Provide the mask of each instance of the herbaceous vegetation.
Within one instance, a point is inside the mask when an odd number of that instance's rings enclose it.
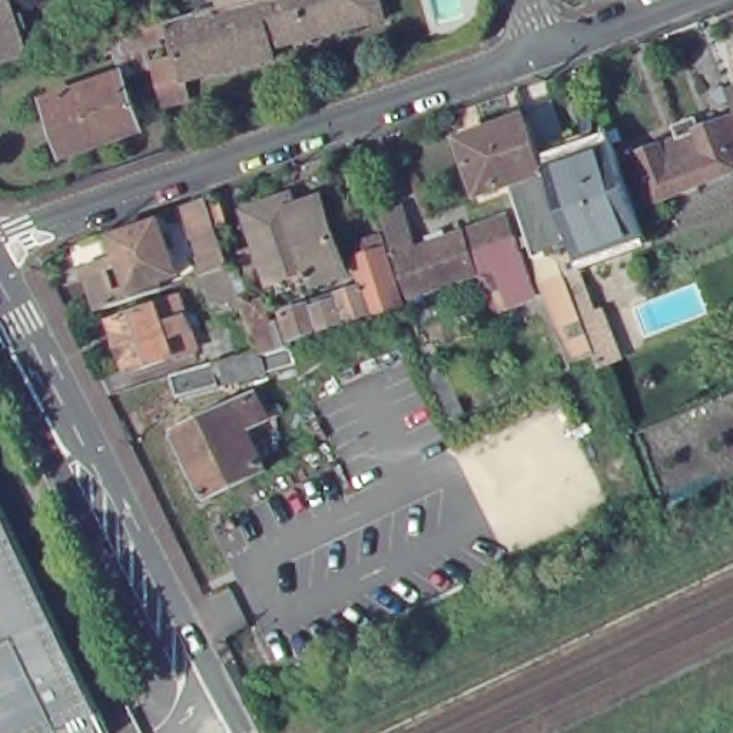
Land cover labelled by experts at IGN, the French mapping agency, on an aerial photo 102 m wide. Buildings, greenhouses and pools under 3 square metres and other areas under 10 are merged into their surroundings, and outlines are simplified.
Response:
[[[501,200],[478,203],[467,195],[458,206],[467,209],[467,220],[487,218],[492,209],[501,209]]]
[[[604,52],[593,60],[593,66],[601,77],[601,103],[610,112],[610,129],[618,132],[618,140],[613,143],[616,160],[636,155],[636,146],[644,146],[650,137],[650,94],[647,86],[630,72],[633,63],[613,60]]]
[[[372,152],[384,157],[389,169],[389,203],[404,209],[415,200],[415,178],[447,178],[452,195],[464,189],[458,169],[450,157],[450,146],[444,140],[421,146],[404,137],[364,137],[355,143],[358,152]]]
[[[733,298],[733,255],[702,266],[696,283],[707,306],[722,306]]]
[[[160,281],[160,295],[180,295],[183,315],[195,332],[195,341],[203,344],[209,341],[209,329],[223,329],[232,346],[243,349],[255,346],[255,338],[243,329],[235,312],[215,312],[209,318],[200,295],[175,281]]]
[[[109,166],[103,163],[100,149],[74,155],[72,160],[49,157],[49,169],[43,172],[43,178],[66,175],[66,186],[86,183],[94,175],[103,175]]]
[[[358,83],[358,72],[355,52],[364,43],[364,37],[346,34],[326,37],[315,46],[275,46],[269,52],[275,60],[292,54],[295,49],[298,63],[312,63],[315,57],[321,57],[341,72],[344,89],[352,89]]]
[[[292,198],[321,198],[329,235],[335,241],[341,261],[355,258],[361,241],[372,229],[367,218],[352,220],[344,215],[344,198],[338,195],[338,189],[321,186],[321,169],[326,163],[318,160],[315,166],[289,169],[289,180],[281,183],[278,192]]]
[[[252,117],[252,89],[261,80],[261,72],[246,72],[218,86],[189,80],[186,92],[192,97],[200,94],[209,103],[220,103],[232,115],[235,135],[258,126]]]
[[[20,100],[34,106],[43,89],[57,92],[63,89],[63,83],[60,77],[46,77],[46,83],[40,86],[31,74],[23,74],[17,80],[0,83],[0,178],[9,183],[29,183],[40,178],[29,175],[20,166],[20,155],[49,155],[43,143],[46,132],[34,123],[23,135],[14,132],[6,120],[6,109],[17,106]]]
[[[495,687],[507,679],[504,673],[515,664],[530,670],[550,653],[570,650],[578,641],[587,641],[616,624],[624,624],[644,610],[661,607],[670,598],[684,596],[693,587],[707,584],[722,573],[733,570],[733,495],[727,495],[724,490],[719,492],[719,501],[710,507],[713,521],[699,518],[693,538],[670,538],[659,521],[659,510],[661,504],[676,507],[681,501],[690,501],[690,495],[702,495],[702,487],[707,481],[733,481],[733,392],[699,404],[696,389],[681,384],[670,372],[690,352],[690,346],[681,341],[647,341],[641,349],[633,349],[633,364],[618,361],[610,367],[616,369],[624,407],[630,415],[627,429],[630,450],[653,495],[650,501],[627,504],[627,515],[627,527],[647,535],[647,550],[636,555],[636,547],[630,541],[621,541],[604,567],[587,570],[573,584],[550,587],[547,598],[535,601],[533,610],[495,610],[478,596],[478,590],[470,581],[461,581],[458,593],[447,596],[438,607],[427,596],[412,604],[409,616],[387,616],[384,624],[398,630],[398,647],[392,653],[392,661],[398,664],[398,690],[392,693],[384,710],[361,716],[352,713],[346,719],[344,733],[401,733],[409,724],[450,704],[458,704],[481,690]]]
[[[424,352],[438,349],[444,358],[455,361],[464,355],[467,346],[458,346],[455,335],[438,321],[432,306],[421,315],[427,335],[421,338],[421,346]]]
[[[404,57],[418,43],[432,43],[432,34],[424,23],[427,0],[378,0],[392,23],[384,31],[389,46]]]
[[[315,464],[318,421],[312,407],[321,404],[318,398],[324,392],[324,384],[341,375],[329,361],[315,361],[312,367],[295,364],[295,378],[289,381],[269,381],[263,372],[252,375],[261,407],[272,412],[286,401],[289,452],[266,470],[258,472],[241,490],[232,487],[229,492],[220,492],[209,504],[198,507],[198,487],[178,478],[175,467],[166,458],[163,429],[169,427],[178,432],[195,418],[212,412],[218,395],[180,401],[166,395],[166,384],[143,384],[137,389],[126,389],[120,398],[135,429],[146,444],[146,452],[169,492],[169,501],[195,547],[195,555],[206,578],[212,578],[218,573],[232,573],[215,533],[218,521],[241,510],[252,510],[249,501],[255,490],[266,490],[266,498],[275,498],[286,490],[289,475],[304,470],[306,464]]]
[[[727,183],[707,183],[704,192],[696,189],[690,198],[679,195],[633,208],[639,238],[641,238],[664,238],[676,246],[684,243],[696,255],[733,238],[733,178],[727,178]]]
[[[561,355],[555,344],[555,329],[547,315],[530,315],[524,329],[510,326],[507,344],[510,355],[520,367],[495,384],[487,384],[481,398],[461,395],[461,418],[470,421],[472,414],[481,409],[570,372],[570,364],[576,361]]]
[[[676,80],[684,106],[681,117],[696,117],[696,112],[702,109],[713,109],[707,94],[710,89],[707,77],[696,63],[690,69],[681,69]]]
[[[598,478],[601,498],[618,498],[633,492],[621,472],[624,458],[613,458],[610,452],[610,438],[593,438],[587,424],[584,424],[573,427],[570,432],[581,444],[584,458]]]
[[[149,306],[152,298],[140,295],[117,306],[94,309],[103,321]]]
[[[733,653],[704,664],[702,670],[673,679],[644,696],[627,699],[604,713],[567,724],[558,733],[733,733]]]
[[[140,123],[160,120],[160,100],[152,89],[152,77],[145,77],[126,83],[129,103]]]
[[[69,80],[80,83],[97,74],[109,74],[112,57],[100,52],[86,43],[80,52],[80,72]]]
[[[567,140],[570,140],[570,137],[578,137],[578,135],[593,135],[593,132],[598,132],[598,126],[593,123],[593,120],[576,117],[573,112],[570,112],[570,120],[567,120]]]

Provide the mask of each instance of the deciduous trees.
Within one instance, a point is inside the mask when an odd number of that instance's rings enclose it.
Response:
[[[424,115],[418,112],[412,123],[407,123],[404,137],[421,146],[444,140],[461,123],[467,115],[461,103],[438,106]]]
[[[43,281],[66,281],[72,261],[72,246],[66,241],[43,246]]]
[[[584,358],[576,361],[570,364],[570,372],[584,384],[584,392],[596,409],[587,424],[593,438],[610,438],[621,427],[627,429],[630,415],[624,407],[616,369],[610,367],[598,369]]]
[[[269,172],[249,175],[235,189],[238,206],[278,192],[281,183],[289,180],[289,169],[275,166]]]
[[[535,601],[547,598],[550,587],[573,584],[587,570],[604,567],[621,541],[630,541],[636,547],[636,555],[647,550],[647,535],[627,527],[627,515],[621,510],[607,510],[601,504],[587,510],[576,527],[561,530],[530,547],[510,550],[501,561],[490,561],[470,581],[478,590],[478,596],[495,610],[533,610]]]
[[[664,86],[667,77],[676,80],[681,69],[667,49],[650,43],[641,49],[641,57],[653,66],[653,74]]]
[[[26,40],[17,57],[0,63],[0,83],[17,80],[23,74],[31,74],[40,86],[46,83],[46,77],[60,77],[63,83],[69,80],[80,72],[80,52],[86,43],[100,52],[109,52],[123,37],[135,37],[143,23],[157,23],[163,17],[192,11],[200,0],[20,0],[23,11],[43,14],[43,20],[31,29]]]
[[[83,344],[89,341],[89,329],[103,326],[103,321],[94,309],[83,295],[66,304],[66,321],[74,341]]]
[[[733,481],[707,481],[702,487],[702,495],[690,495],[690,501],[681,501],[676,507],[661,504],[659,510],[659,521],[670,538],[693,538],[699,518],[713,521],[710,507],[719,501],[719,492],[724,490],[727,495],[733,495]]]
[[[421,315],[432,306],[438,321],[455,335],[458,346],[467,346],[464,355],[455,361],[444,358],[438,349],[424,352],[421,346],[421,338],[427,335]],[[492,309],[490,292],[478,281],[455,283],[441,289],[438,298],[421,295],[415,301],[407,301],[401,309],[392,304],[378,315],[352,318],[321,332],[312,332],[306,338],[298,338],[292,341],[295,364],[312,367],[315,361],[329,361],[341,375],[346,372],[349,361],[364,364],[372,355],[395,349],[404,352],[404,358],[415,352],[421,358],[421,369],[429,378],[429,372],[438,369],[438,375],[461,395],[481,398],[487,384],[495,384],[520,367],[510,355],[507,344],[510,326],[507,312]]]
[[[292,54],[275,60],[261,72],[261,80],[252,89],[252,117],[258,126],[295,126],[312,103],[335,100],[344,94],[344,89],[341,72],[321,57],[315,57],[312,63],[298,63],[295,49]]]
[[[676,255],[696,255],[684,243],[676,246],[664,238],[641,238],[641,249],[636,249],[630,258],[630,278],[639,283],[641,295],[650,298],[659,298],[670,289],[670,266]]]
[[[186,149],[215,152],[223,149],[235,135],[232,115],[220,103],[209,103],[200,94],[192,97],[178,117],[160,120],[140,123],[137,135],[123,137],[123,157],[163,160],[169,152]]]
[[[690,346],[690,352],[670,372],[681,384],[696,389],[699,404],[733,392],[733,298],[722,306],[707,306],[702,318],[653,335],[647,341],[681,341]]]
[[[593,123],[598,126],[598,132],[610,129],[610,112],[601,103],[601,77],[593,66],[581,69],[570,80],[547,83],[544,97],[558,106],[567,106],[570,112],[573,112],[576,117],[593,120]]]
[[[43,172],[49,169],[49,157],[49,155],[20,155],[20,166],[29,175],[40,178],[43,178]]]
[[[97,676],[97,684],[106,690],[106,696],[117,702],[140,702],[152,679],[157,679],[152,647],[137,636],[123,633],[115,590],[94,584],[94,570],[83,555],[77,535],[60,518],[57,495],[49,492],[34,501],[34,527],[43,538],[46,573],[63,587],[69,610],[77,616],[80,650]]]
[[[266,315],[272,321],[278,315],[278,306],[312,304],[332,295],[326,283],[312,289],[295,286],[292,292],[275,292],[261,283],[261,278],[246,275],[243,266],[238,266],[235,272],[243,283],[243,298],[272,304],[272,312]]]
[[[321,169],[321,186],[338,189],[338,195],[344,198],[344,215],[352,220],[367,218],[372,229],[381,226],[389,203],[389,169],[384,157],[372,152],[358,152],[355,143],[335,149],[326,163]]]
[[[6,120],[14,132],[23,135],[34,123],[34,106],[20,100],[17,106],[6,109]]]
[[[37,484],[40,470],[34,467],[34,461],[26,458],[20,447],[23,427],[14,392],[0,392],[0,450],[9,472],[20,478],[26,490]]]
[[[112,355],[106,358],[97,349],[86,352],[86,369],[92,372],[92,378],[106,378],[117,367]]]
[[[243,707],[255,716],[261,733],[344,733],[346,719],[352,713],[361,716],[384,710],[392,693],[398,690],[398,664],[392,661],[392,653],[398,647],[398,630],[384,624],[369,624],[355,639],[344,639],[338,633],[318,636],[306,644],[306,653],[298,659],[295,670],[286,673],[281,673],[278,664],[246,664]]]
[[[358,72],[372,83],[389,80],[392,72],[401,69],[404,57],[389,46],[384,31],[364,37],[364,43],[355,52]]]
[[[467,195],[464,189],[452,195],[447,178],[415,178],[415,200],[424,223],[458,206]]]

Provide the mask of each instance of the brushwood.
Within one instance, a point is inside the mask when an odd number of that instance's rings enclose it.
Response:
[[[404,57],[401,69],[392,72],[389,80],[401,80],[432,60],[472,49],[492,17],[490,0],[472,0],[472,20],[467,20],[455,31],[432,34],[432,43],[418,43]]]
[[[432,418],[435,432],[444,438],[450,450],[467,450],[484,435],[501,432],[504,427],[513,427],[535,412],[576,409],[584,424],[587,424],[596,409],[584,392],[584,384],[570,372],[481,409],[472,414],[470,421],[461,418],[444,415],[429,378],[421,369],[421,358],[415,352],[404,358],[404,372],[415,387],[427,415]]]
[[[681,117],[684,106],[676,80],[667,77],[664,86],[667,109],[673,117]]]
[[[66,175],[43,178],[40,178],[29,183],[9,183],[0,178],[0,195],[9,200],[37,200],[63,192],[66,186]]]
[[[627,429],[621,427],[610,438],[610,452],[613,458],[624,458],[621,472],[633,492],[618,498],[601,498],[601,504],[607,510],[621,510],[627,515],[627,504],[650,501],[653,495],[630,450]]]
[[[676,255],[670,266],[670,289],[696,283],[702,266],[733,255],[733,238],[696,255]]]

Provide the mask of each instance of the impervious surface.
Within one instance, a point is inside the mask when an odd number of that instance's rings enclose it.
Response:
[[[538,292],[524,309],[518,306],[507,312],[510,326],[524,329],[530,315],[547,315],[544,295]]]
[[[252,429],[252,447],[266,470],[289,452],[286,401],[272,412],[278,418],[278,429]]]
[[[458,20],[438,20],[432,6],[435,0],[427,0],[424,23],[432,34],[455,31],[467,20],[472,20],[472,0],[461,0],[464,11]]]
[[[467,220],[467,209],[458,206],[424,223],[415,200],[404,209],[412,243],[421,243],[424,238],[438,241],[447,223]]]
[[[9,0],[20,37],[26,40],[31,29],[43,20],[43,14],[23,11],[20,0]]]
[[[618,346],[618,361],[633,364],[633,349],[641,349],[647,341],[653,335],[641,321],[641,309],[650,304],[650,298],[641,295],[639,283],[630,278],[630,258],[636,249],[641,249],[641,238],[639,238],[627,238],[624,243],[616,243],[610,249],[576,258],[593,306],[601,309],[607,318],[607,326]]]
[[[521,246],[518,223],[510,209],[507,232],[513,238],[513,249],[524,266],[527,286],[538,292],[533,258]]]
[[[169,501],[169,492],[146,452],[146,444],[135,429],[120,398],[126,389],[137,389],[143,384],[166,384],[166,375],[175,369],[232,361],[243,349],[232,346],[223,329],[209,329],[209,341],[203,344],[203,352],[163,361],[143,372],[117,367],[106,378],[92,378],[92,372],[86,369],[86,352],[97,349],[106,358],[112,355],[103,326],[89,329],[89,341],[83,344],[74,341],[66,321],[66,304],[83,295],[74,283],[66,281],[43,281],[43,246],[66,241],[72,246],[72,261],[89,263],[100,255],[97,241],[106,232],[155,218],[172,266],[183,269],[186,263],[192,263],[192,246],[180,220],[180,209],[186,203],[203,200],[209,229],[226,220],[232,229],[232,246],[243,249],[246,238],[241,232],[238,206],[235,189],[249,175],[269,172],[275,166],[289,169],[315,166],[318,160],[326,163],[335,149],[355,143],[364,137],[404,137],[407,123],[412,123],[418,112],[424,115],[438,106],[461,103],[467,115],[461,123],[467,129],[475,129],[484,112],[521,106],[521,117],[527,123],[533,149],[544,152],[567,140],[567,120],[570,120],[570,112],[567,106],[558,106],[544,97],[547,83],[570,80],[581,69],[593,66],[593,60],[604,52],[613,60],[633,63],[630,72],[647,86],[650,94],[650,137],[667,135],[673,117],[667,109],[664,86],[653,74],[653,66],[641,57],[641,49],[650,43],[667,49],[670,37],[696,31],[730,72],[730,80],[733,80],[733,0],[490,0],[492,17],[472,49],[432,60],[401,80],[389,80],[372,83],[358,72],[358,83],[352,89],[344,89],[344,94],[335,100],[312,103],[295,126],[258,126],[235,135],[223,149],[215,152],[186,149],[169,152],[163,160],[123,157],[117,166],[109,166],[103,175],[94,175],[86,183],[66,186],[63,192],[37,200],[9,200],[0,195],[0,392],[14,392],[23,427],[20,447],[26,458],[34,461],[34,467],[40,470],[37,484],[26,490],[20,478],[9,472],[0,450],[0,524],[20,558],[20,567],[57,636],[57,644],[86,702],[97,713],[106,733],[261,733],[255,716],[243,707],[246,664],[278,664],[281,673],[286,673],[295,670],[298,659],[306,653],[306,644],[318,636],[338,633],[344,639],[355,639],[369,624],[384,624],[387,616],[409,616],[412,604],[427,596],[438,607],[447,596],[458,593],[461,581],[470,581],[490,561],[501,561],[510,550],[492,538],[484,510],[450,450],[444,438],[435,432],[432,418],[427,415],[415,387],[404,372],[404,358],[404,352],[395,349],[372,355],[364,364],[349,361],[346,372],[341,375],[324,384],[324,392],[318,398],[321,404],[312,407],[318,421],[315,464],[306,464],[304,470],[289,475],[286,490],[275,498],[266,498],[266,490],[255,490],[249,501],[252,510],[241,510],[218,521],[215,533],[232,573],[218,573],[212,578],[206,578],[195,555],[195,547]],[[97,684],[97,676],[80,650],[77,616],[69,610],[63,587],[46,573],[43,538],[34,527],[34,501],[49,492],[57,495],[60,518],[77,535],[83,555],[94,570],[94,584],[115,590],[123,633],[137,636],[152,647],[157,679],[152,679],[140,702],[117,702],[106,696],[106,690]]]

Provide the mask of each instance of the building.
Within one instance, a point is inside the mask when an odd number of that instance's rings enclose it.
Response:
[[[261,72],[275,60],[269,52],[275,46],[315,46],[326,37],[346,34],[364,37],[384,31],[392,23],[378,0],[200,0],[192,11],[163,17],[157,23],[143,23],[135,37],[123,37],[109,52],[100,52],[112,57],[109,74],[97,74],[80,83],[69,80],[63,83],[63,89],[57,92],[43,89],[34,106],[34,123],[46,132],[43,143],[49,155],[49,157],[72,160],[74,155],[100,149],[103,163],[109,166],[117,166],[123,157],[123,137],[137,135],[140,123],[129,103],[126,83],[145,77],[152,77],[152,89],[160,100],[160,120],[178,117],[192,97],[186,92],[189,80],[218,86],[246,72]]]
[[[0,0],[0,63],[17,57],[26,40],[20,37],[9,0]]]
[[[438,369],[429,372],[429,378],[444,415],[461,418],[461,395],[438,375]]]
[[[518,306],[524,309],[538,292],[544,295],[547,315],[555,329],[555,344],[561,355],[576,361],[584,358],[598,369],[610,367],[618,361],[618,346],[607,326],[607,318],[601,309],[593,306],[576,258],[610,249],[616,243],[624,243],[627,238],[639,238],[633,208],[679,195],[690,198],[696,189],[704,192],[707,183],[727,183],[727,178],[733,178],[733,80],[730,80],[724,83],[724,89],[710,89],[707,94],[713,109],[702,109],[696,112],[696,117],[681,117],[673,117],[667,135],[650,137],[644,146],[636,146],[636,155],[616,160],[613,143],[618,140],[618,132],[610,129],[598,132],[593,132],[593,135],[578,135],[578,137],[570,137],[570,140],[567,140],[544,152],[533,149],[527,123],[521,117],[521,106],[484,112],[475,129],[467,129],[461,123],[444,140],[450,146],[450,157],[458,169],[464,189],[467,195],[478,203],[501,200],[501,209],[492,209],[487,218],[467,220],[447,223],[438,241],[424,238],[421,243],[412,243],[404,209],[389,203],[381,226],[372,229],[361,241],[355,258],[341,261],[335,241],[329,235],[321,198],[292,198],[278,192],[238,206],[241,232],[246,238],[243,249],[232,246],[232,229],[226,220],[209,229],[203,200],[186,203],[180,209],[180,220],[192,246],[192,263],[186,263],[183,269],[172,266],[155,218],[106,232],[97,241],[100,255],[89,263],[72,261],[66,281],[74,283],[83,295],[94,309],[117,306],[140,295],[152,298],[149,306],[103,321],[103,326],[112,355],[117,367],[143,372],[163,361],[203,352],[203,344],[195,341],[195,332],[183,315],[180,295],[160,295],[160,281],[175,281],[200,295],[209,318],[215,312],[235,312],[243,329],[255,338],[255,346],[243,349],[232,361],[175,369],[166,375],[166,384],[166,395],[180,401],[218,395],[212,412],[195,418],[178,432],[169,427],[163,429],[166,458],[175,467],[178,478],[198,487],[198,507],[209,504],[220,492],[229,492],[232,487],[241,490],[258,472],[266,470],[252,447],[252,429],[278,429],[278,418],[272,412],[261,407],[252,375],[263,372],[269,381],[289,381],[295,378],[295,364],[292,341],[298,338],[306,338],[312,332],[321,332],[352,318],[378,315],[392,304],[401,309],[407,301],[415,301],[421,295],[438,298],[441,289],[455,283],[478,281],[490,292],[492,309],[507,312]],[[524,266],[513,249],[513,238],[507,232],[510,209],[518,223],[521,246],[533,258],[538,292],[527,286]],[[275,292],[292,292],[295,286],[312,289],[326,283],[332,295],[312,304],[278,306],[278,315],[272,321],[266,315],[272,312],[272,304],[243,298],[243,283],[235,272],[238,266],[243,266],[246,275],[261,278],[261,283]]]
[[[97,713],[86,702],[57,644],[57,636],[20,567],[20,558],[0,524],[0,733],[106,733]]]

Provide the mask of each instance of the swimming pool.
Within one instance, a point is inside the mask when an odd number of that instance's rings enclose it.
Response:
[[[641,309],[641,321],[653,335],[702,318],[707,306],[696,283],[670,289],[659,298],[650,298],[650,304]]]
[[[432,6],[438,20],[458,20],[464,11],[461,0],[435,0]]]

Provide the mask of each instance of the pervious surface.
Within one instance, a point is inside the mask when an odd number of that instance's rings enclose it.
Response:
[[[401,733],[558,733],[567,724],[604,713],[627,699],[644,696],[673,679],[702,670],[704,664],[733,653],[733,570],[722,573],[707,584],[693,587],[684,596],[670,598],[661,607],[644,610],[624,624],[616,624],[587,641],[578,641],[570,650],[550,653],[530,670],[515,664],[504,673],[507,679],[495,687],[481,690],[458,704],[450,704],[409,724]]]
[[[730,72],[696,31],[670,37],[667,49],[681,69],[690,69],[696,63],[707,77],[710,89],[724,89],[724,83],[730,80]]]
[[[570,432],[573,427],[584,424],[576,409],[535,412],[513,427],[504,427],[501,432],[484,435],[467,450],[450,450],[484,510],[492,538],[510,550],[530,547],[561,530],[576,527],[587,510],[601,504],[601,498],[598,478],[584,458],[581,444]]]

